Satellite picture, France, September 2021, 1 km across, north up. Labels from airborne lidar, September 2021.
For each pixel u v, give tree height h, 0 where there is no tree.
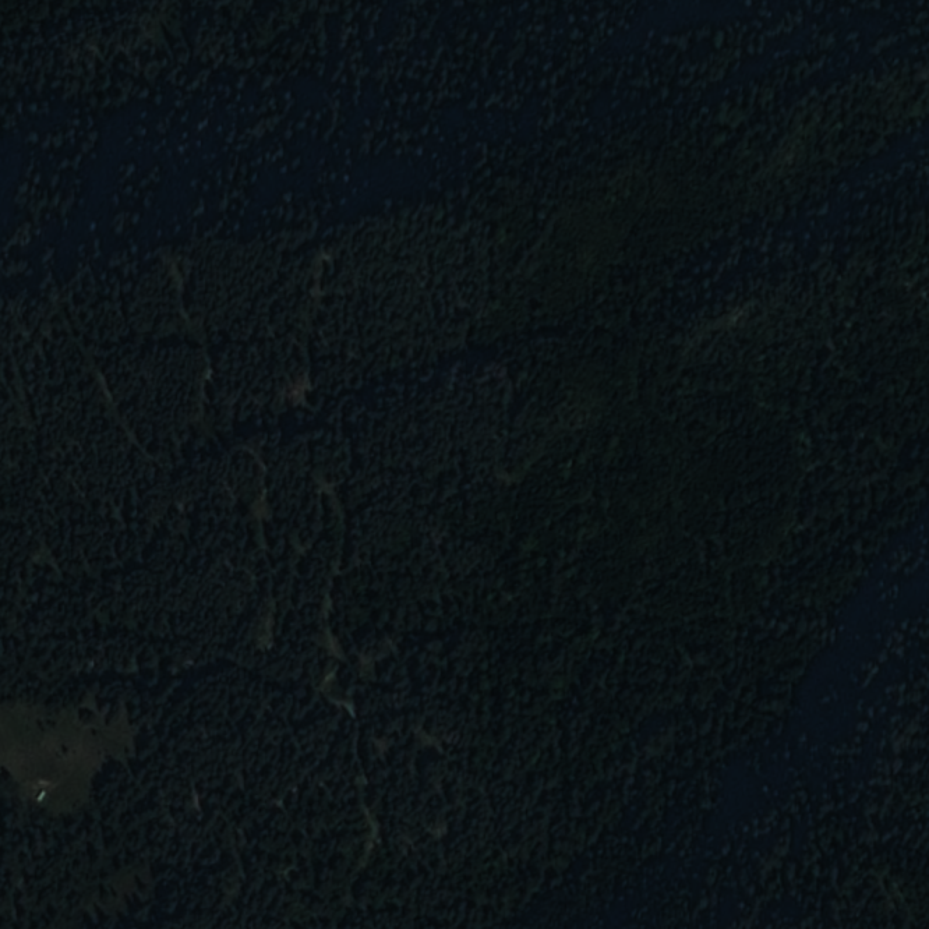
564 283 15
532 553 30
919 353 15
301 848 28
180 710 22
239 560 25
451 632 10
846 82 18
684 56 12
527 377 11
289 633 23
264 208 10
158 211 11
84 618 28
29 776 0
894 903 13
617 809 11
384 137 22
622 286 18
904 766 8
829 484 31
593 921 14
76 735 0
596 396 15
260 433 12
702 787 17
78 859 14
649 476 10
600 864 13
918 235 11
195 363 25
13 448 9
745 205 20
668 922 14
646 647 14
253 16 14
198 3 32
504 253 10
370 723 19
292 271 23
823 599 14
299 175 6
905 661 13
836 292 26
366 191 18
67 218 6
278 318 23
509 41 30
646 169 14
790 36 24
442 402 27
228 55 33
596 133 14
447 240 21
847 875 10
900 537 18
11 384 22
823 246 14
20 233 27
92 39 30
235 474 18
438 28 15
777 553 10
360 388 8
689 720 10
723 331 10
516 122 7
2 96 7
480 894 10
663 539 16
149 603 20
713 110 21
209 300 23
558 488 9
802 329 26
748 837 26
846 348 20
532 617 13
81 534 21
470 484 28
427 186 16
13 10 15
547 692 22
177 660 22
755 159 9
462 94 26
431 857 25
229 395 27
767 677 17
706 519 14
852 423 18
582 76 14
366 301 16
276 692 13
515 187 18
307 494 25
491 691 16
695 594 11
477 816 25
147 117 12
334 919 11
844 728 9
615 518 15
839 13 10
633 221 12
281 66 15
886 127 16
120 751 0
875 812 7
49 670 21
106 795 24
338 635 19
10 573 18
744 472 16
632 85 19
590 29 19
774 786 12
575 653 12
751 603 15
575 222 12
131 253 10
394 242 21
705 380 15
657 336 11
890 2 9
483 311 20
